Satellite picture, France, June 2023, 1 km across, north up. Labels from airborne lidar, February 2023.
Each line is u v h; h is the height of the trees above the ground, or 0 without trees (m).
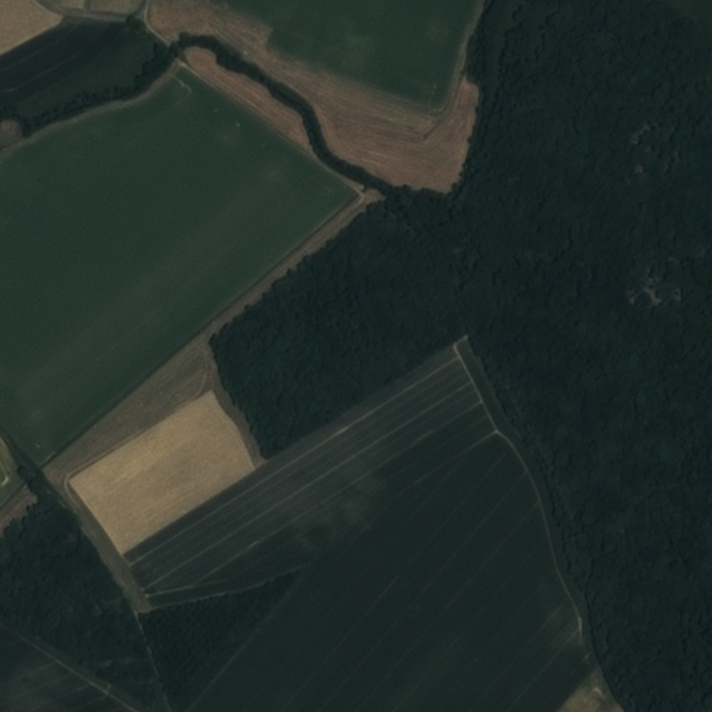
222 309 0
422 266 21
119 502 0
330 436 0
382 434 0
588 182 22
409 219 20
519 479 0
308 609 0
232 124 0
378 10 0
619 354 19
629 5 24
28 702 0
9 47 0
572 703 0
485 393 0
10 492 0
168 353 0
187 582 0
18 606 14
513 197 22
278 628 0
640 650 22
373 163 0
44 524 20
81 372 0
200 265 0
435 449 0
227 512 0
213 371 0
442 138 0
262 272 0
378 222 23
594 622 16
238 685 0
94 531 0
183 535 0
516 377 10
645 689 23
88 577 18
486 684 0
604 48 19
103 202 0
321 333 17
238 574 0
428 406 0
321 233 0
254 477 0
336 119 0
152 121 0
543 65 12
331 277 7
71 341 0
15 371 0
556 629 0
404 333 20
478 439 0
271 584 10
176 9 0
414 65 0
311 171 0
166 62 11
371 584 0
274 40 0
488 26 22
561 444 19
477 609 0
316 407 20
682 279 26
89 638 11
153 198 0
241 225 0
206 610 8
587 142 21
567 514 23
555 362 19
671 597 23
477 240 17
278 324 12
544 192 22
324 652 0
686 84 21
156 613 9
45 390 0
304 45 0
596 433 23
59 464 0
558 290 20
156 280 0
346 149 0
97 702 0
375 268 24
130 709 0
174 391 0
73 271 0
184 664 11
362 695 0
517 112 20
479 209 21
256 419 12
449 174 0
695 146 25
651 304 18
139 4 0
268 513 0
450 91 0
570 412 24
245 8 0
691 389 23
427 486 0
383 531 0
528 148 19
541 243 21
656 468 20
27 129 9
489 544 0
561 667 0
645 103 21
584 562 18
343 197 0
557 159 23
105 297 0
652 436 16
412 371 16
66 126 0
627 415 20
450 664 0
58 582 10
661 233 20
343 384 20
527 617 0
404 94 0
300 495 0
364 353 20
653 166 26
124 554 0
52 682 0
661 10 23
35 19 0
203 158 0
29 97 0
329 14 0
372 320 21
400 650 0
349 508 0
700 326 25
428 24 0
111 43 0
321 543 0
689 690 18
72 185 0
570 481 17
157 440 0
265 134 0
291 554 0
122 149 0
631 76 15
